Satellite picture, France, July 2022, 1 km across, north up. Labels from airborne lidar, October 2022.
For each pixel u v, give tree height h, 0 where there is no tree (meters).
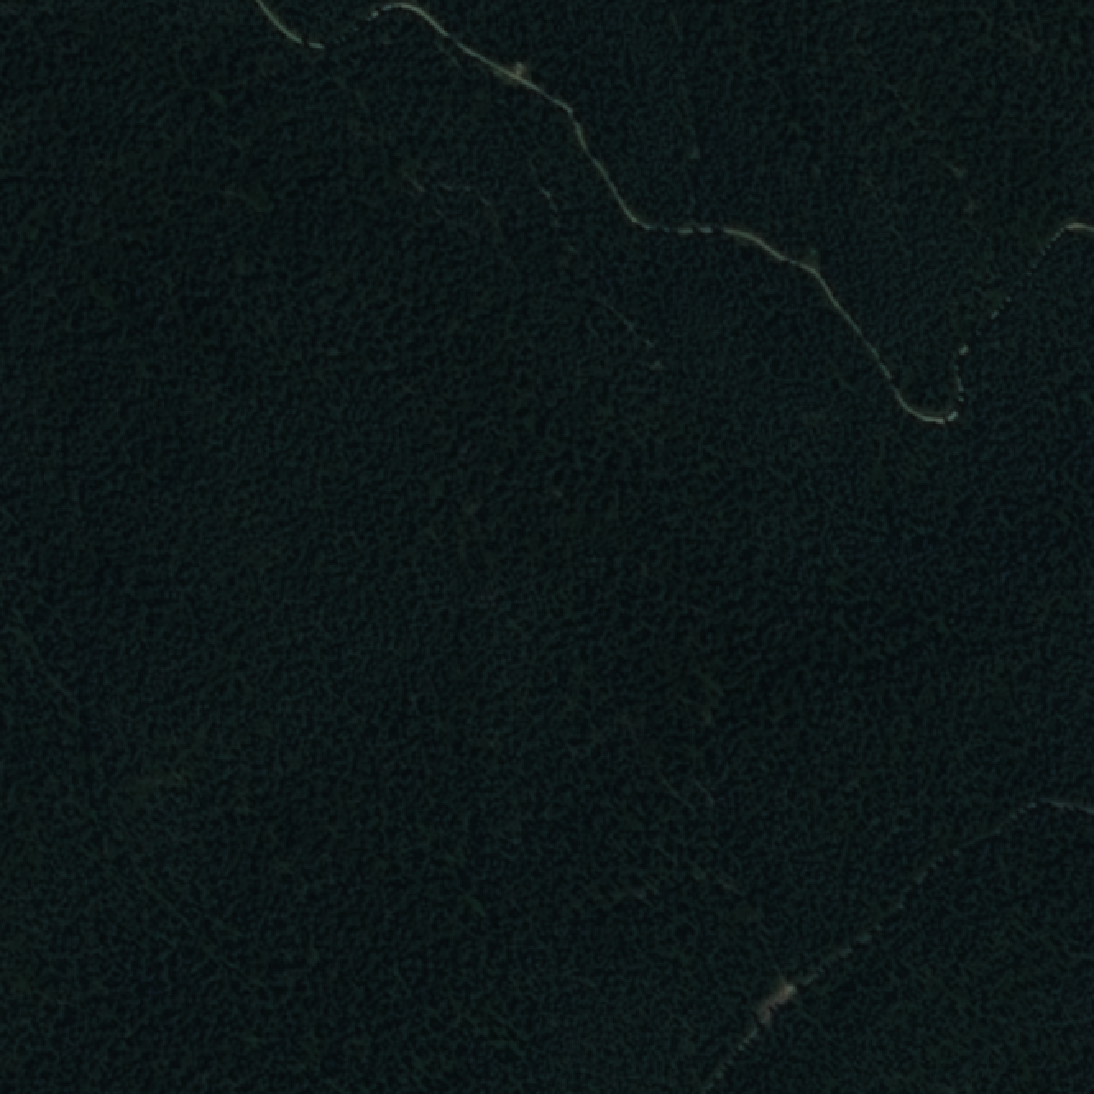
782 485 25
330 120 17
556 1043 19
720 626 8
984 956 22
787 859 22
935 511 18
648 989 22
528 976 22
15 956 20
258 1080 25
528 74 0
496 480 14
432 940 16
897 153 16
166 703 22
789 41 16
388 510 12
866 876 23
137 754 18
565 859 15
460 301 15
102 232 7
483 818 14
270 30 22
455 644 11
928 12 22
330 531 23
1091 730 19
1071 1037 18
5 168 31
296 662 16
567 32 14
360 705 14
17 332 23
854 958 15
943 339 9
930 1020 13
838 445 11
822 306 6
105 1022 6
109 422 10
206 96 15
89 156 10
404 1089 30
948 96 6
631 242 9
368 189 18
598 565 16
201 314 31
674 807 23
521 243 15
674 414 18
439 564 8
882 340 13
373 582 26
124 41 19
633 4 14
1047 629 9
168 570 20
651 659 23
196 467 10
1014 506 28
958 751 30
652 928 28
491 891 17
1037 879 18
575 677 23
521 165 14
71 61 18
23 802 21
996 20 8
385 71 27
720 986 26
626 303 22
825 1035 15
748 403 10
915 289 16
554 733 22
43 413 11
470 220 19
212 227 7
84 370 23
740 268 24
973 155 16
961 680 25
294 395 19
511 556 13
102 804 22
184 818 25
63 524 17
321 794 18
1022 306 21
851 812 23
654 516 11
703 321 17
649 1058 18
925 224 22
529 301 15
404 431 24
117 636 25
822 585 14
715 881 16
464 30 22
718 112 20
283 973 28
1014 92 30
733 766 17
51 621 23
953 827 13
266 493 14
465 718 16
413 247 12
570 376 19
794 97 14
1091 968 18
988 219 11
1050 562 25
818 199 17
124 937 14
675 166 25
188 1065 13
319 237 14
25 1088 10
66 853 10
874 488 26
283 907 13
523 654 25
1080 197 12
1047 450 26
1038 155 18
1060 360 20
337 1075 23
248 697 22
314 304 25
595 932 24
